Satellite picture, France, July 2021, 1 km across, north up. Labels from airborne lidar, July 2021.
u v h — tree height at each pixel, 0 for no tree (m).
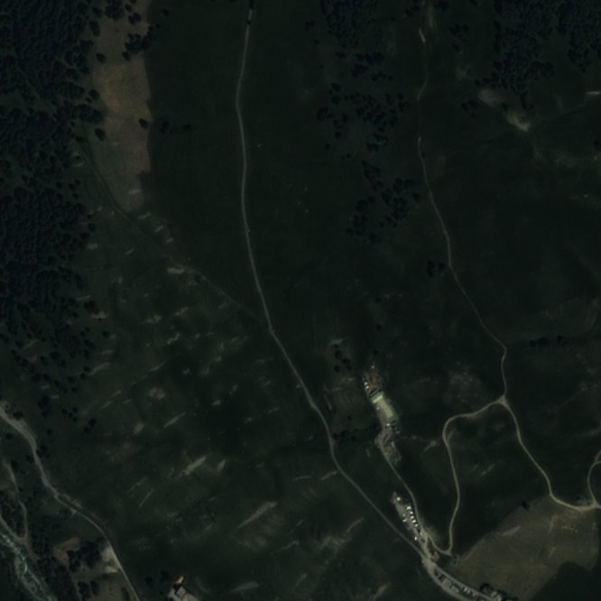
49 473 0
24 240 27
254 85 0
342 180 0
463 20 0
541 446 0
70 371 0
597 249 0
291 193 0
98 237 0
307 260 0
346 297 0
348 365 8
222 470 0
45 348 0
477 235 0
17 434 0
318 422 0
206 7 0
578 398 0
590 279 0
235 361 0
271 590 0
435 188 0
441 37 0
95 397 0
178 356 0
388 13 0
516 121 0
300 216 0
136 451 0
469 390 0
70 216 23
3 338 16
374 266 0
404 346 0
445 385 0
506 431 0
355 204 0
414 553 0
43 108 0
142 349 0
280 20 0
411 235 0
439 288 0
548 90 0
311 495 0
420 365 0
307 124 0
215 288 0
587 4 25
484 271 0
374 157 0
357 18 22
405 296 0
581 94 0
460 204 0
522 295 0
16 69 21
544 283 0
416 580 0
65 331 20
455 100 0
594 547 0
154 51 0
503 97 0
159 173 0
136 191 0
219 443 0
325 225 0
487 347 0
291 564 0
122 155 0
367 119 20
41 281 26
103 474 0
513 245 0
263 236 0
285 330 0
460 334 0
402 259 0
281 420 0
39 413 0
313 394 0
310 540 0
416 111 0
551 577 0
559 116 0
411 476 0
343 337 0
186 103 0
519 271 0
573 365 0
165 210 0
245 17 0
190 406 0
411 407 0
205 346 0
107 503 0
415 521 0
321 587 0
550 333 0
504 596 8
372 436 0
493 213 0
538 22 29
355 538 0
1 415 0
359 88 0
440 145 0
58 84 31
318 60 0
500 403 0
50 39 18
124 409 0
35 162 20
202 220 0
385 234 0
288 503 0
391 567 0
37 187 20
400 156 0
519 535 0
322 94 0
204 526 0
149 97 0
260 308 0
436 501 0
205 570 0
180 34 0
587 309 0
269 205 0
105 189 0
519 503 0
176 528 0
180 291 0
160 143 0
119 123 0
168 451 0
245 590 0
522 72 27
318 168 0
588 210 0
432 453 0
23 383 0
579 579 0
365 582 0
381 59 22
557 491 0
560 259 0
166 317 0
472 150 0
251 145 0
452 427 0
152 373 0
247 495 0
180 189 0
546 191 0
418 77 0
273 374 0
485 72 0
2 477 0
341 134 9
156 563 0
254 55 0
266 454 0
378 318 0
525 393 0
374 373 0
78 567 14
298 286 0
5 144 22
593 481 0
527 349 0
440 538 0
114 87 0
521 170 0
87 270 0
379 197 0
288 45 0
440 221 0
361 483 0
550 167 0
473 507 0
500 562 0
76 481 0
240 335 0
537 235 0
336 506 0
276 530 0
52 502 0
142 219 0
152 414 0
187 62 0
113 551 0
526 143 0
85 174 0
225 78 0
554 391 0
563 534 0
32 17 19
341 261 0
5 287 20
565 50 0
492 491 0
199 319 0
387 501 0
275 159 0
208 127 0
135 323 0
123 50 0
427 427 0
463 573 0
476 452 0
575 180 0
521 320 0
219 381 0
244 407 0
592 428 0
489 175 0
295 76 0
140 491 0
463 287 0
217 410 0
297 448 0
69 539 0
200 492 0
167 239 0
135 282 0
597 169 0
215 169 0
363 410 0
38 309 18
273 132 0
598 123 0
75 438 0
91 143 0
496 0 0
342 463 0
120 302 0
